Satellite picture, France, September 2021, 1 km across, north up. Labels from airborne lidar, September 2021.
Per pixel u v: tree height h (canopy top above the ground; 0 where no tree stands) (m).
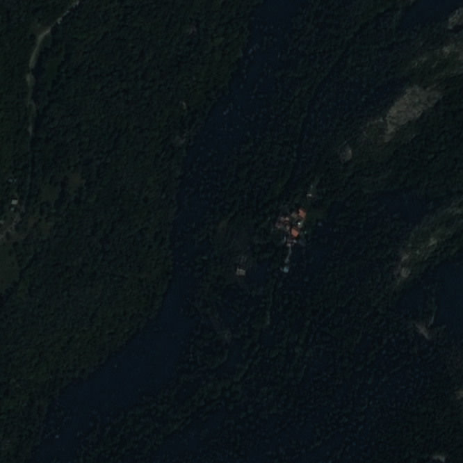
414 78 16
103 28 25
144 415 20
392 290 15
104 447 25
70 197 22
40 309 24
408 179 33
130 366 31
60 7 16
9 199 14
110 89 26
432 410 13
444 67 10
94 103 25
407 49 10
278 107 23
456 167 26
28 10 22
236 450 27
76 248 25
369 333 30
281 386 26
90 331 29
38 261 26
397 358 24
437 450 18
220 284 19
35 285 23
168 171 25
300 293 15
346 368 24
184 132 28
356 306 17
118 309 25
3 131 27
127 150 27
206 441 13
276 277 15
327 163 16
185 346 39
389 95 12
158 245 11
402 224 17
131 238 24
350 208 22
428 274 35
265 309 16
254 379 15
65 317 19
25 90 29
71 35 21
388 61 8
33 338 17
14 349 20
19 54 23
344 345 25
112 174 24
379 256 22
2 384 19
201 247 10
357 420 15
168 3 23
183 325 24
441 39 18
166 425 23
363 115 13
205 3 23
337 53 16
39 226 16
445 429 13
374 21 13
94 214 26
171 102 23
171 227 27
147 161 30
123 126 35
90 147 28
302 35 18
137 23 29
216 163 29
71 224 32
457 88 17
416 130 10
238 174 30
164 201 22
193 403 24
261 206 22
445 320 18
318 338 22
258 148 29
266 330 0
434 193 26
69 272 31
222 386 22
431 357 30
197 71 28
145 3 17
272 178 25
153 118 26
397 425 18
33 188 17
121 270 27
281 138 25
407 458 15
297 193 15
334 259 23
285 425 27
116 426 23
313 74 26
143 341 28
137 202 20
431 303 17
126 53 29
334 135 11
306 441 28
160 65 26
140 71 21
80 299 23
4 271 0
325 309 24
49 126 24
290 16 31
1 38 21
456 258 21
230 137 23
